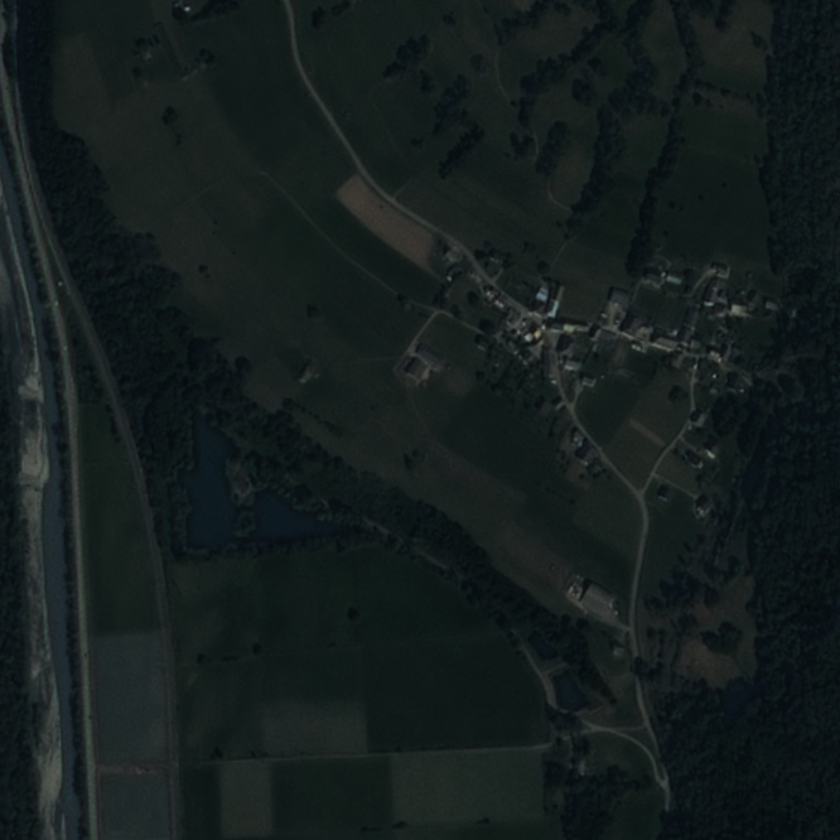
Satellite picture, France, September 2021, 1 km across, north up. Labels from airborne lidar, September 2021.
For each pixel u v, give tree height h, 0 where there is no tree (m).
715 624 0
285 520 0
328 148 0
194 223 0
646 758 0
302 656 0
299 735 0
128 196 0
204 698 0
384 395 0
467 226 0
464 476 0
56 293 0
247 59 0
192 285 0
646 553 0
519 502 0
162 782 0
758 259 0
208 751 0
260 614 0
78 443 0
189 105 0
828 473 20
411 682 0
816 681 26
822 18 18
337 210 0
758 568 12
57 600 0
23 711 14
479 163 0
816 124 16
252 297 0
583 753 15
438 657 0
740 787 17
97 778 0
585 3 17
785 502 25
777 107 18
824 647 22
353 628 0
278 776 0
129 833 0
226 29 0
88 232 19
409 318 0
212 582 0
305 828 0
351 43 0
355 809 0
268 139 0
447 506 0
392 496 6
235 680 0
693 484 0
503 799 0
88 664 0
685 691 15
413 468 13
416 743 0
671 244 0
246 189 0
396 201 0
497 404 0
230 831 0
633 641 0
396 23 0
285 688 0
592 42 19
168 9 0
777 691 21
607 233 0
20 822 18
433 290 0
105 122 0
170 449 20
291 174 0
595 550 0
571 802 10
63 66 0
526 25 15
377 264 0
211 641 0
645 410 0
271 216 0
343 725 0
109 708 0
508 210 0
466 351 0
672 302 0
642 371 0
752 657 0
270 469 19
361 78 0
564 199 0
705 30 0
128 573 0
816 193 13
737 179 0
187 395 18
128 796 0
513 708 0
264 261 0
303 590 0
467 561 21
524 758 0
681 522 0
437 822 0
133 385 14
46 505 0
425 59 17
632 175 0
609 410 0
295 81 0
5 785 13
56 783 0
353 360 0
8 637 12
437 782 0
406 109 0
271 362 0
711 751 20
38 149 21
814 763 8
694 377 0
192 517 0
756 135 0
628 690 0
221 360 9
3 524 24
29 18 21
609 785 15
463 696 0
